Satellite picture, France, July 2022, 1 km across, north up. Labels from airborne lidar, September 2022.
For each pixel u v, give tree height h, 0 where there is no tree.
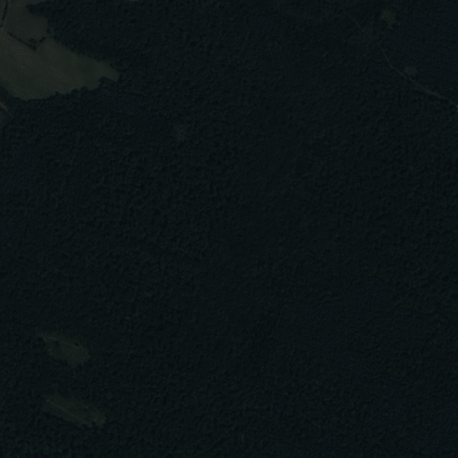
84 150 22
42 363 15
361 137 17
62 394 19
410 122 17
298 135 16
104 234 16
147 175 7
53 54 0
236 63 17
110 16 19
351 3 15
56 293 17
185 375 14
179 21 18
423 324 19
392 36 19
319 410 19
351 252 20
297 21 12
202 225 19
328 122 17
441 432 22
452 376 18
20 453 27
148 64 17
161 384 15
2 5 0
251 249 20
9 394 21
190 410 19
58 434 22
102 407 18
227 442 23
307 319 17
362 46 17
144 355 21
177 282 18
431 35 17
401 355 22
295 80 18
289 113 17
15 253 18
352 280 20
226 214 23
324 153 16
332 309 18
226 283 19
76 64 0
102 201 8
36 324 17
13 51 0
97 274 18
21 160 24
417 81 8
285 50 18
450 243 17
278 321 16
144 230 19
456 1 18
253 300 17
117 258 17
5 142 11
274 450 23
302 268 16
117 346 18
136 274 16
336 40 14
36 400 18
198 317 20
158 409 17
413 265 21
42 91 0
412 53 20
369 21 16
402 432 25
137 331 20
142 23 16
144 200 16
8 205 20
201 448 21
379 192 11
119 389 18
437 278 26
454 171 19
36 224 17
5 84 0
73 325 17
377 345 20
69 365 17
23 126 15
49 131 17
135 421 18
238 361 21
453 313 20
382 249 20
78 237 7
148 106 19
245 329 18
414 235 20
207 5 15
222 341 20
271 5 15
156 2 17
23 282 21
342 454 25
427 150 20
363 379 22
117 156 15
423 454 22
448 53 13
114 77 0
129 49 12
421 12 19
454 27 19
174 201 22
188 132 20
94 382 16
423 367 15
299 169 15
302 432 20
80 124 15
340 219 21
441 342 21
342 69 19
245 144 18
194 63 16
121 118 18
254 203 21
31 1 0
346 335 16
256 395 20
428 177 18
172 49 18
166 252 16
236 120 15
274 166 17
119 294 7
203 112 15
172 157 18
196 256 6
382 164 18
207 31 17
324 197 16
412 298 18
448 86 10
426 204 22
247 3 18
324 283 15
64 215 14
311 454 22
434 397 21
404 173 24
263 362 14
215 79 16
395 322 17
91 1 17
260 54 15
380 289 21
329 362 20
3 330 19
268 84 18
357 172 20
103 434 23
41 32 0
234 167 17
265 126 19
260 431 21
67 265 18
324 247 16
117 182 14
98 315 18
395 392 22
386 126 19
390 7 13
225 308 19
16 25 0
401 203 21
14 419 18
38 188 22
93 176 18
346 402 21
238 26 20
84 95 19
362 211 19
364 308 20
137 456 14
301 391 19
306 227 17
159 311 15
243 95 17
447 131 19
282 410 21
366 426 23
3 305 20
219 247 19
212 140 18
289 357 18
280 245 12
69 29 16
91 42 15
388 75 20
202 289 16
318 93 16
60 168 17
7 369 20
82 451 19
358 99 18
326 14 15
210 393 17
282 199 21
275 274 14
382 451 20
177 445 19
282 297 17
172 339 5
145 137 16
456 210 19
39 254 15
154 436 22
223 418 16
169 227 15
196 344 13
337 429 19
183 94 20
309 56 18
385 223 19
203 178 19
